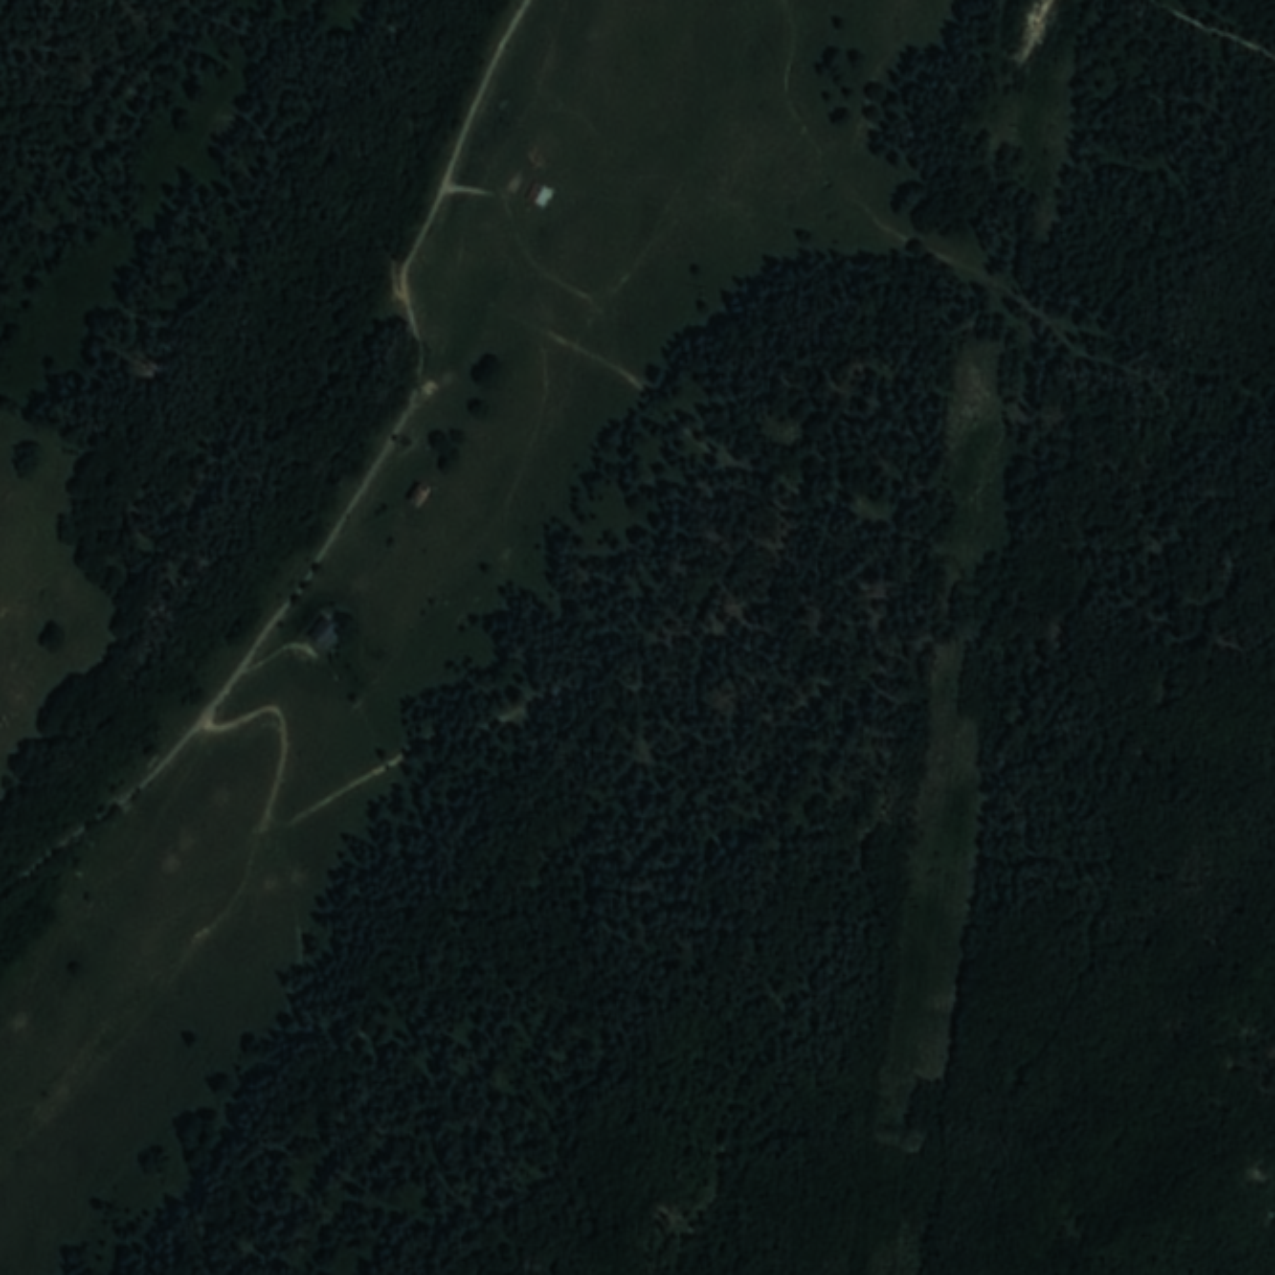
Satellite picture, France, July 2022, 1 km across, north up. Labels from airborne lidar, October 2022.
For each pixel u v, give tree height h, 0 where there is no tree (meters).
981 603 11
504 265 0
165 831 0
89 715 23
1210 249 14
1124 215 13
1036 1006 22
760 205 0
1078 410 17
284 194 17
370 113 20
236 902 0
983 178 16
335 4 20
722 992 16
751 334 30
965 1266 25
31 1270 0
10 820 18
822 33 0
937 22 0
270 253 18
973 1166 15
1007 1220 23
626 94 0
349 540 0
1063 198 13
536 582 0
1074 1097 21
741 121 0
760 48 0
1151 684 23
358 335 27
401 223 14
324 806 0
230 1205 17
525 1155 13
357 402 18
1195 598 20
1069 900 21
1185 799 22
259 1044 11
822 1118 26
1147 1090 16
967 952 12
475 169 0
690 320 0
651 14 0
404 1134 14
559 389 0
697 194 0
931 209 14
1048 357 27
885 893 17
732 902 16
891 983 13
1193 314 15
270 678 0
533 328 0
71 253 14
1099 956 15
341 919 15
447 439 13
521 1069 8
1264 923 15
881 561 8
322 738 0
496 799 16
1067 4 7
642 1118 22
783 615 19
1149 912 17
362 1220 20
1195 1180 22
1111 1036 17
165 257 20
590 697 23
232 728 0
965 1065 20
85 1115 0
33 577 0
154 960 0
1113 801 21
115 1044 0
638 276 0
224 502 32
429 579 0
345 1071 13
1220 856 12
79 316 0
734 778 18
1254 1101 19
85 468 15
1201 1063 21
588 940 12
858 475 17
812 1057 7
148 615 21
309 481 18
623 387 0
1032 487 10
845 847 19
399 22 17
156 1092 0
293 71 26
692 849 30
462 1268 10
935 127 20
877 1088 14
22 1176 0
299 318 23
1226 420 17
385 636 0
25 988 0
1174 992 20
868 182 0
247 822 0
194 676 11
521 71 0
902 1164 6
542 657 27
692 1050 14
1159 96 12
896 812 10
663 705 12
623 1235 22
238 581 19
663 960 11
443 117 19
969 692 14
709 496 6
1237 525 24
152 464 20
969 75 20
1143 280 20
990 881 20
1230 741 14
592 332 0
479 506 0
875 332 15
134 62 15
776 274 14
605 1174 26
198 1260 15
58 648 14
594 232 0
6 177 24
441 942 11
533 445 0
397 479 0
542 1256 19
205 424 29
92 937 0
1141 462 19
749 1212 15
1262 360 18
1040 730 22
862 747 7
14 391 0
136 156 14
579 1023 17
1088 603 34
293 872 0
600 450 8
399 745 0
